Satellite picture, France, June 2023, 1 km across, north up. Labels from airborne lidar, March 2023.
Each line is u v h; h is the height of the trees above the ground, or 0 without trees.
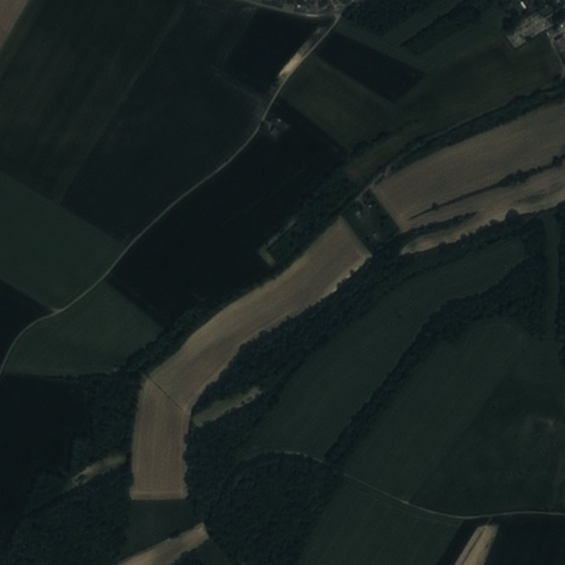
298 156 0
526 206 0
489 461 0
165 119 0
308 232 17
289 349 21
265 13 0
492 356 0
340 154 0
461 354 0
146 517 0
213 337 0
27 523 19
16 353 0
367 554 0
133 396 9
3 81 0
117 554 18
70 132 0
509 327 0
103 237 0
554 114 0
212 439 11
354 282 6
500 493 0
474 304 17
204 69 0
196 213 0
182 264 0
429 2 13
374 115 0
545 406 0
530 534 0
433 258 0
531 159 0
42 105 0
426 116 0
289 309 0
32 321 0
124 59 0
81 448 17
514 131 0
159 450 0
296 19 0
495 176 0
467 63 0
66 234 0
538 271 24
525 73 0
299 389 0
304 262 0
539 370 0
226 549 15
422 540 0
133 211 0
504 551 0
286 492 19
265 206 0
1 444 0
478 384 0
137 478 0
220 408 0
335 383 0
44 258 0
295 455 8
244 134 0
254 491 19
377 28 12
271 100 0
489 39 0
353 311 13
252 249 0
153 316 0
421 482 0
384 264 8
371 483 0
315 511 16
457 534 0
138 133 0
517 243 0
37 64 0
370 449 0
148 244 0
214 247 0
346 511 0
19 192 0
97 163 0
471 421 0
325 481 18
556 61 0
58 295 0
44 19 0
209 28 0
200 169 0
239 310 0
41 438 0
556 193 0
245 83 0
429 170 0
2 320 0
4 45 0
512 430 0
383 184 0
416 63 0
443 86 0
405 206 0
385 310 0
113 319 0
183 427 0
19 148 0
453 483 0
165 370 0
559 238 0
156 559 0
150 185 0
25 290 0
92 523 25
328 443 0
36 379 0
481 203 0
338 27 0
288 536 14
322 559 0
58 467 0
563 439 0
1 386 0
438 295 0
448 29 0
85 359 0
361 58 0
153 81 0
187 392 0
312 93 0
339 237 0
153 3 0
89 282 0
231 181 0
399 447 0
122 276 0
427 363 0
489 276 0
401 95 0
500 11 0
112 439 19
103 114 0
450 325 14
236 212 0
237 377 24
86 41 0
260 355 17
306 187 0
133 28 0
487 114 7
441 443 0
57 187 0
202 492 15
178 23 0
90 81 0
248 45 0
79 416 0
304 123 0
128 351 0
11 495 0
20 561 21
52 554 20
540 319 21
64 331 0
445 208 0
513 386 0
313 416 0
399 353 0
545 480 0
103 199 0
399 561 0
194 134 0
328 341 11
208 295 0
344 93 0
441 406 0
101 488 21
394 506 0
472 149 0
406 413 0
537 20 0
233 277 0
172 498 0
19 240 0
